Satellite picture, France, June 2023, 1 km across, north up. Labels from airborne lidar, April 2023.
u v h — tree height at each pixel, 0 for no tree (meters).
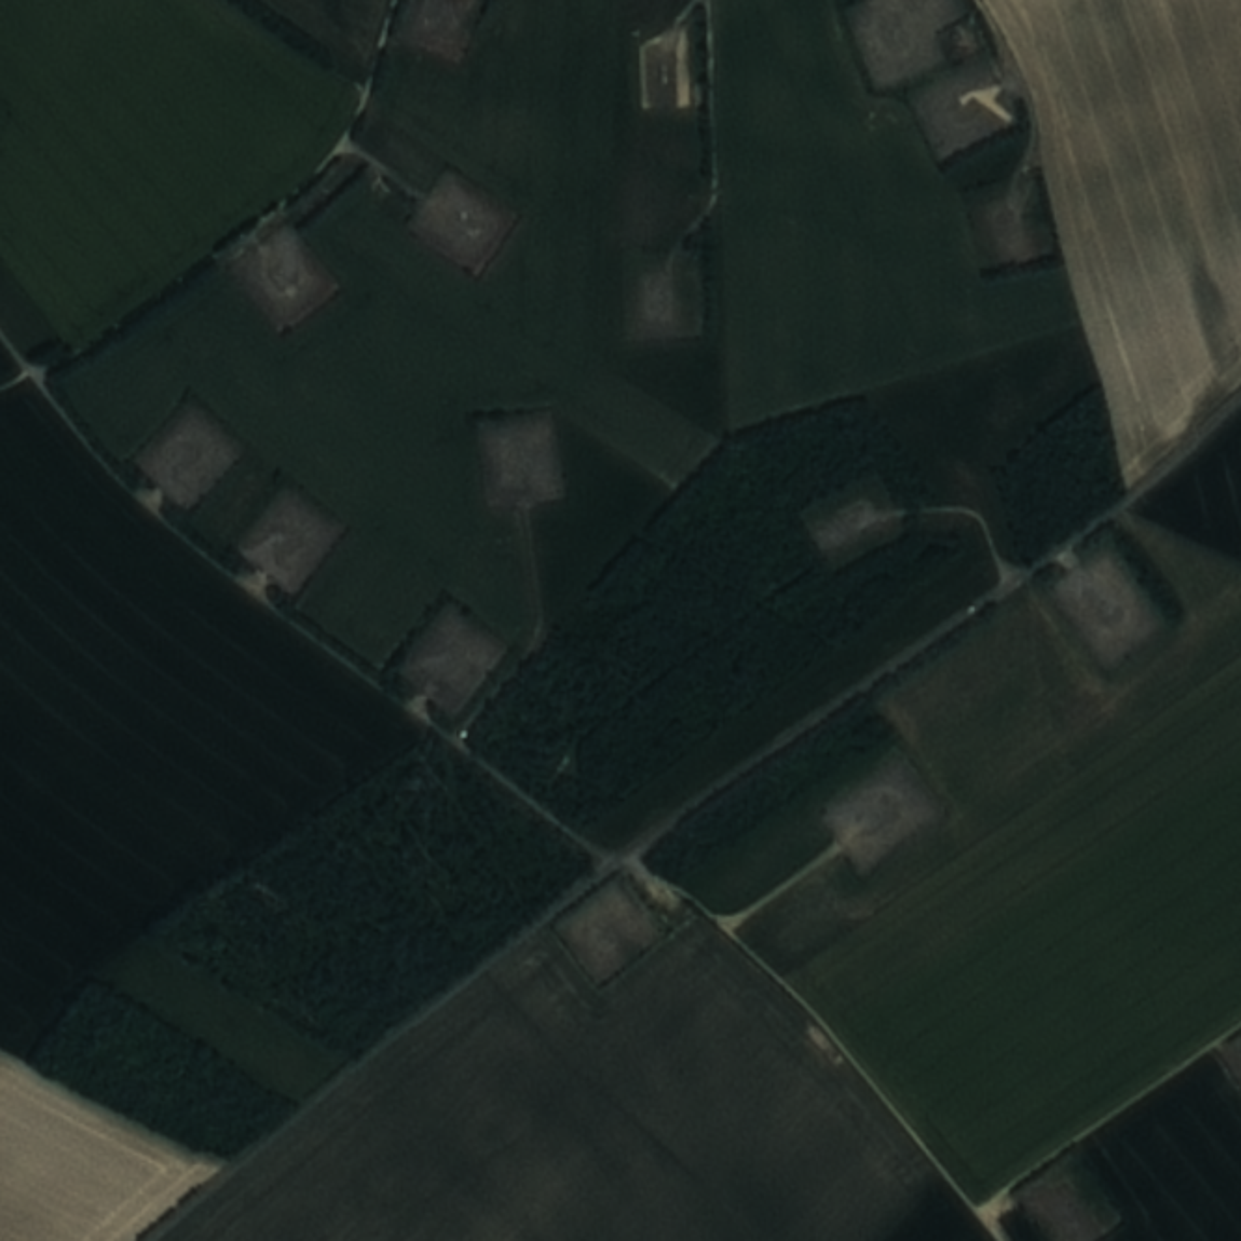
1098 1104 0
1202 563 0
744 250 0
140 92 0
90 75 0
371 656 0
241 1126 7
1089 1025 0
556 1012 0
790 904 0
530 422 0
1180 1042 0
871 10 0
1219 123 0
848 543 0
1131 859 0
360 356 0
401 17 8
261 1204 0
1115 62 0
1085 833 0
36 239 0
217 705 0
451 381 0
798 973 0
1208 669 0
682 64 0
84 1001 11
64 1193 0
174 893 0
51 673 0
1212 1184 0
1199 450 0
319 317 0
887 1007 0
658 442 0
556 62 0
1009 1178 0
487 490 0
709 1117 0
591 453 0
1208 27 0
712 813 6
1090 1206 0
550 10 0
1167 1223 0
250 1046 0
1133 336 0
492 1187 0
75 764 0
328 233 0
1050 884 0
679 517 7
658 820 0
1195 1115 0
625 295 0
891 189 0
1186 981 0
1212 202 0
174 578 0
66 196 0
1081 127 0
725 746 0
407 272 0
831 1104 0
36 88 0
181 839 0
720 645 6
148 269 0
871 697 7
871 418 8
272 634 0
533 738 11
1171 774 0
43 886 0
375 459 0
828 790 0
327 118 0
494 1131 0
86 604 0
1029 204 0
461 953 8
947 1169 0
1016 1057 0
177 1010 0
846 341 0
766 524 6
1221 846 0
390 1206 0
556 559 0
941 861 0
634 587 7
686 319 0
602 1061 0
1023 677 0
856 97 0
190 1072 10
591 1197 0
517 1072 0
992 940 0
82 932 0
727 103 0
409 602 0
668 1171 0
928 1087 0
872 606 6
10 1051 0
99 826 0
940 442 0
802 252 0
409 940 7
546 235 0
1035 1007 0
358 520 0
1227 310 0
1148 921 0
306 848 6
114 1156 0
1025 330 0
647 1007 0
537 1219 0
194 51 0
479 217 0
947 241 0
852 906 0
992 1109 0
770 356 0
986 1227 0
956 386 0
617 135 0
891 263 0
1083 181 0
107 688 0
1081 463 6
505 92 0
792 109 0
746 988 0
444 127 0
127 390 0
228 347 0
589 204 0
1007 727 0
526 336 0
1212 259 0
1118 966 0
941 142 0
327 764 0
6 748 0
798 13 0
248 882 14
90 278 0
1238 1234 0
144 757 0
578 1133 0
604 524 0
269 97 0
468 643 0
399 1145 0
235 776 0
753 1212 0
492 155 0
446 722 7
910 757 0
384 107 0
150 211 0
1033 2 0
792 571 6
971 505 0
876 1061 0
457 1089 0
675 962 0
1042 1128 0
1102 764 0
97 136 0
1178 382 0
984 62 0
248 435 0
